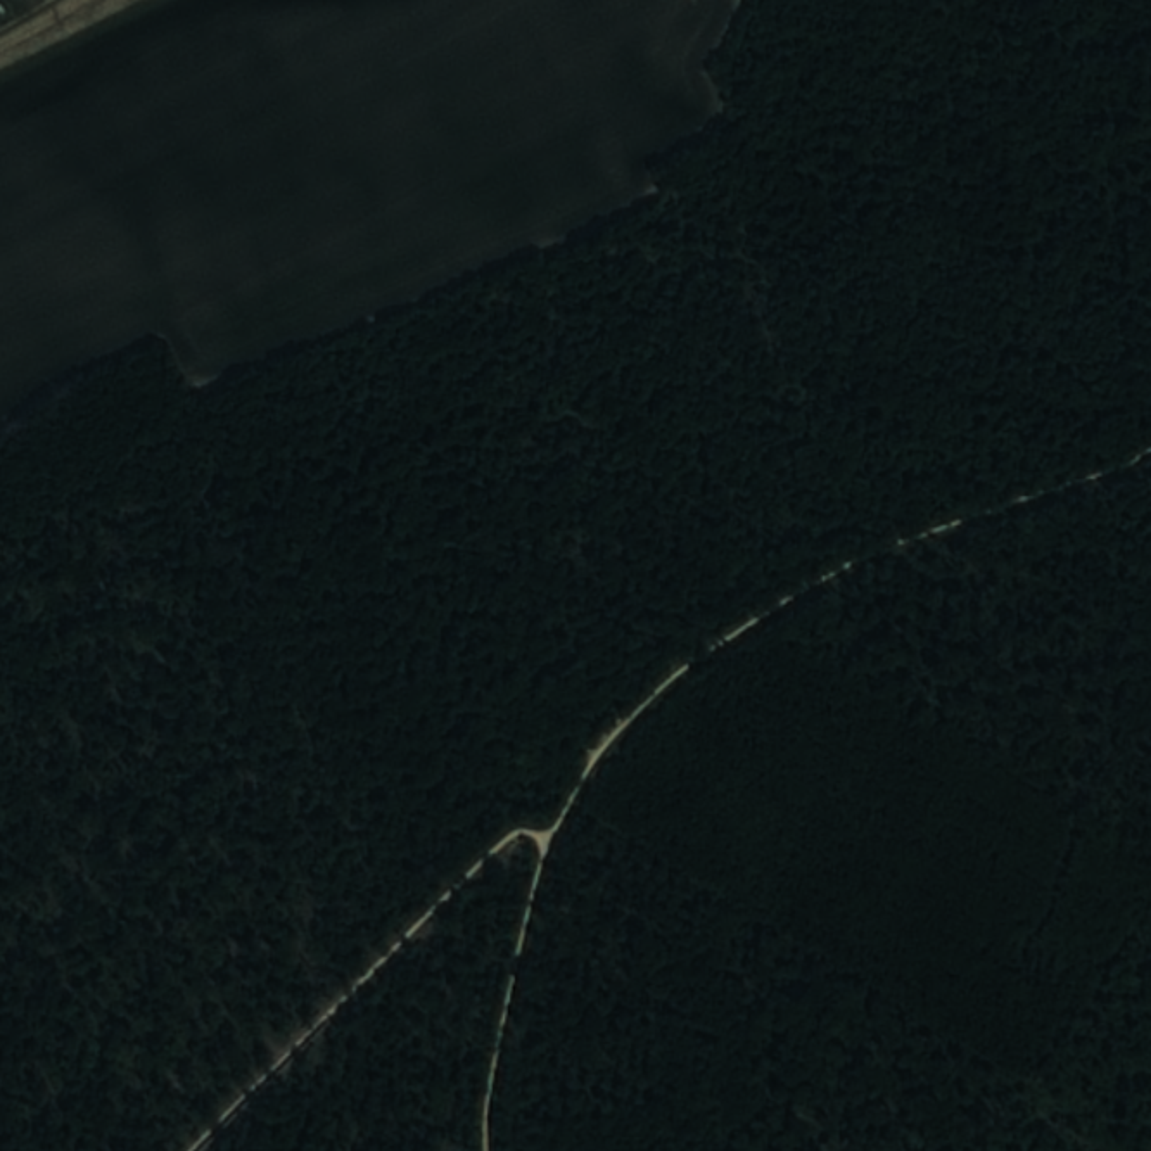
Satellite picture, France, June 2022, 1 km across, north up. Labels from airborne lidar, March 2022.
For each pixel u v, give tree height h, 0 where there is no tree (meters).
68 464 16
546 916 18
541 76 0
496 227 0
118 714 24
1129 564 23
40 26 0
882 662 19
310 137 0
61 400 15
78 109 0
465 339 19
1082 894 14
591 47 0
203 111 0
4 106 0
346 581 23
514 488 27
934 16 16
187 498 20
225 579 24
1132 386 19
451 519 23
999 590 25
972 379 21
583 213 0
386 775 16
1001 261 22
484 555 21
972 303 20
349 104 0
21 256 0
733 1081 22
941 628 26
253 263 0
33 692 16
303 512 23
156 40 0
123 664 20
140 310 0
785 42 11
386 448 27
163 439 16
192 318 0
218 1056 21
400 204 0
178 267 0
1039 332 23
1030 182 19
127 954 21
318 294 0
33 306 0
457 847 21
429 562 18
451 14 0
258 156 0
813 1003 22
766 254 22
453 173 0
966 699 26
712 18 0
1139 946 18
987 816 11
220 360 0
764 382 23
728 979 22
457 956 23
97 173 0
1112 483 21
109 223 0
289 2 0
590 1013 26
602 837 22
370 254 0
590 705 22
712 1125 21
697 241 21
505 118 0
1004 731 24
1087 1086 20
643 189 0
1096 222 24
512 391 0
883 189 19
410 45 0
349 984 20
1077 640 24
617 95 0
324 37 0
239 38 0
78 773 23
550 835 0
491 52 0
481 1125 14
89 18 0
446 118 0
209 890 22
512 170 0
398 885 23
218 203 0
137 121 0
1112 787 20
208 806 21
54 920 0
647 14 0
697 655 16
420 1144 23
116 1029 23
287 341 0
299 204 0
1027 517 23
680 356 20
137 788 20
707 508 18
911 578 26
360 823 21
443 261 0
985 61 11
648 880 25
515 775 20
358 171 0
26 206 0
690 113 0
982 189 20
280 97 0
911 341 20
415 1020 20
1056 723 23
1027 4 24
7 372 0
